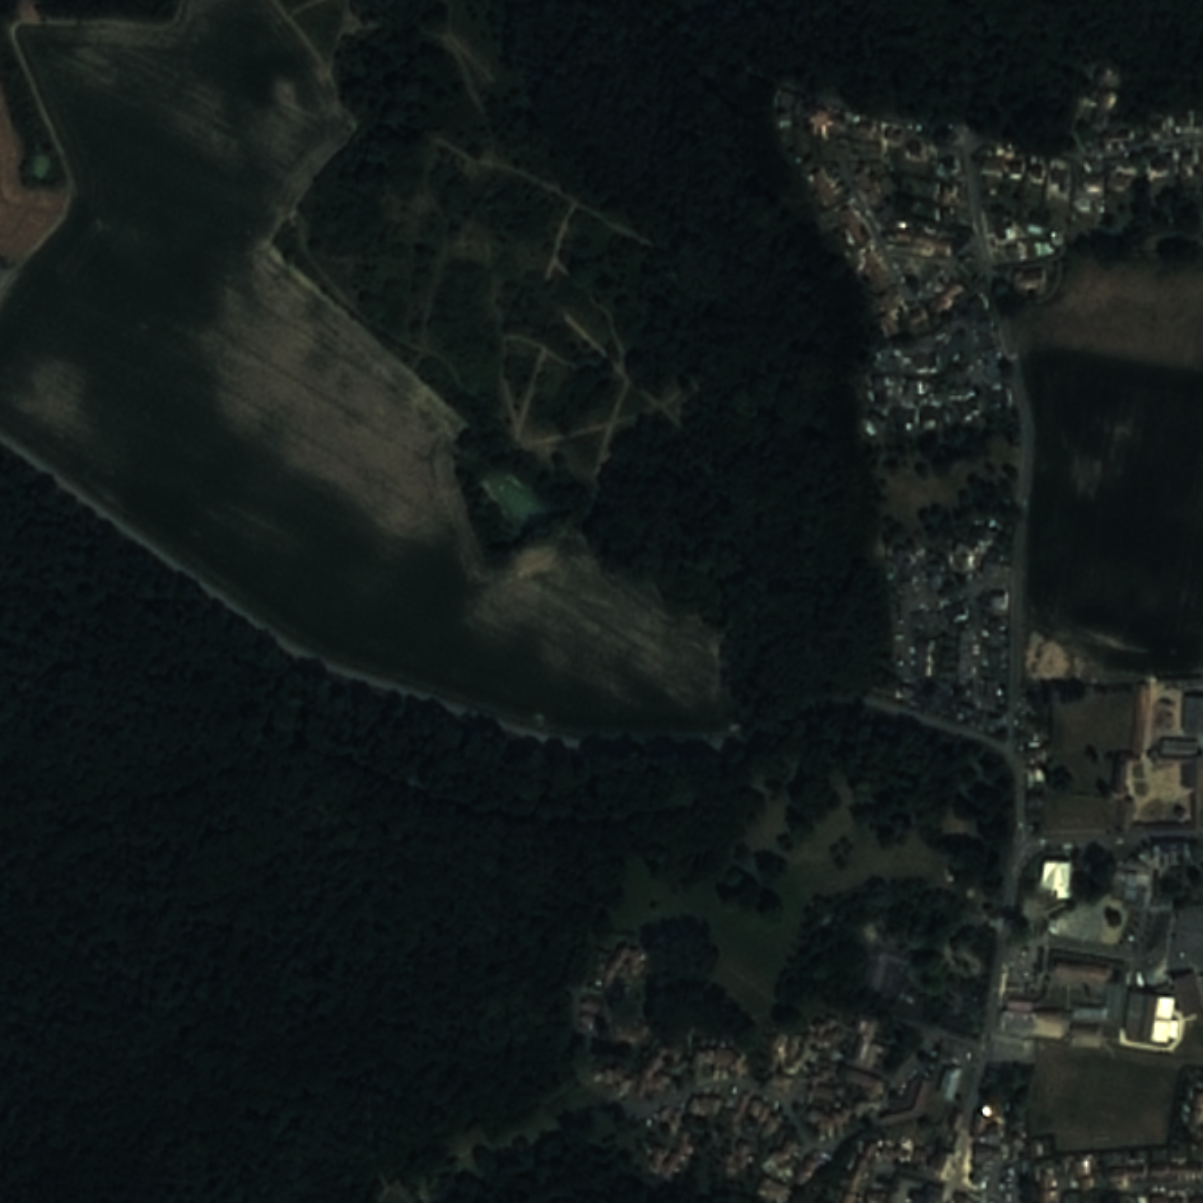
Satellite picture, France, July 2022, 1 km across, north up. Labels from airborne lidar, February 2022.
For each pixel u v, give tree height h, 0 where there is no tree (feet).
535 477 40
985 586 0
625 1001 75
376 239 20
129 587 75
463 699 0
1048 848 0
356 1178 42
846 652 119
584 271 61
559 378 0
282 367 0
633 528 87
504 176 0
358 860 82
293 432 0
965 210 0
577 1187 36
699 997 74
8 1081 79
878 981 0
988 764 58
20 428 0
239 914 89
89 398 0
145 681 92
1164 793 0
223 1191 84
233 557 0
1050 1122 0
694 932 75
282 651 78
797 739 77
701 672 0
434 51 42
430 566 0
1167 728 0
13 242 0
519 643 0
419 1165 71
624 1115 68
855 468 24
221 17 0
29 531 79
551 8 86
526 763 88
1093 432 0
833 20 77
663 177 76
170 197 0
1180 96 74
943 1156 0
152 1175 60
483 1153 38
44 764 73
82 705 89
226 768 84
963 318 38
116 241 0
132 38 0
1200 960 0
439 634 0
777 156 38
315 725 87
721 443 55
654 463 52
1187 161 0
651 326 23
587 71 81
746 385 95
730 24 78
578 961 48
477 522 41
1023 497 0
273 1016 87
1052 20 83
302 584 0
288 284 0
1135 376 0
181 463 0
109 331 0
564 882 76
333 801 94
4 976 78
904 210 35
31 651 75
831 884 0
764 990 0
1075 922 0
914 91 72
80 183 0
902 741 86
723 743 0
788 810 0
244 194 0
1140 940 0
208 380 0
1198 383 0
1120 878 0
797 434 107
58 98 0
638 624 0
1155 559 0
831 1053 0
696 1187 43
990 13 87
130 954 80
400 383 0
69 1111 80
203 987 86
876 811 35
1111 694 28
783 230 72
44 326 0
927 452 51
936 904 25
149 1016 81
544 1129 0
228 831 82
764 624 88
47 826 70
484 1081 88
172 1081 86
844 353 29
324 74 0
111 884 85
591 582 0
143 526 0
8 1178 47
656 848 80
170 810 83
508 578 0
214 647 80
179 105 0
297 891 79
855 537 27
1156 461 0
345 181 35
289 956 82
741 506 91
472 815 90
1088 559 0
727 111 82
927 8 80
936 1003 23
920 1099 0
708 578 63
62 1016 73
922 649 0
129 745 88
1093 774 0
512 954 86
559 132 91
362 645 0
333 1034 92
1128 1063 0
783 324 84
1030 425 0
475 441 43
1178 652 0
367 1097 77
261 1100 68
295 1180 81
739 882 40
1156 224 37
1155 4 75
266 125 0
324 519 0
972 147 0
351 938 91
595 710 0
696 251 101
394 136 61
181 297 0
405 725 78
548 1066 76
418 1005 99
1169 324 0
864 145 0
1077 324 0
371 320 17
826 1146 0
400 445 0
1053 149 54
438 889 103
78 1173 63
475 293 19
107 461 0
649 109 63
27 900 89
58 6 65
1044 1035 0
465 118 0
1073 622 0
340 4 0
